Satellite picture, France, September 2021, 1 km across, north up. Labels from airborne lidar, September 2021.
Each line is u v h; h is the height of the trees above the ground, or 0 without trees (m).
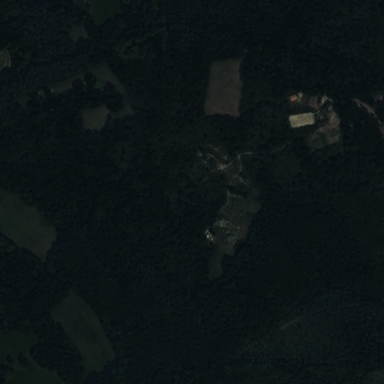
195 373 33
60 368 27
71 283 20
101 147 14
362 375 18
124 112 0
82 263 22
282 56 25
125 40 29
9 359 14
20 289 26
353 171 17
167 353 21
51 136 22
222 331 22
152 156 10
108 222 26
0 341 0
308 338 26
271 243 18
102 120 0
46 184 17
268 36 16
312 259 26
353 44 27
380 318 11
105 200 19
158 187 16
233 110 0
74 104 22
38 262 27
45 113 29
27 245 0
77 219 10
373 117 20
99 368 0
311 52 27
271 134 12
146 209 19
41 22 28
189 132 9
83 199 17
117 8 0
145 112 20
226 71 0
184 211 13
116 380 28
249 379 31
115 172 16
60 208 18
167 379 19
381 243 8
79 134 21
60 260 18
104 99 20
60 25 29
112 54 19
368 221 7
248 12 20
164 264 9
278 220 20
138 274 16
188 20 17
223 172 0
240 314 12
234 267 18
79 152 24
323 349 8
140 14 27
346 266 20
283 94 13
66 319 0
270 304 21
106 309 20
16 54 9
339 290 19
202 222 18
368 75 27
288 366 15
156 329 19
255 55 22
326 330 7
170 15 25
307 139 0
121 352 12
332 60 28
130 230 12
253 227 18
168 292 25
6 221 0
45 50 30
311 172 20
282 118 8
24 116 21
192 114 8
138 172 17
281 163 0
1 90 29
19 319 28
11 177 17
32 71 30
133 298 22
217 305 22
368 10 18
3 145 23
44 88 25
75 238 23
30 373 0
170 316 22
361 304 16
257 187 0
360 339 29
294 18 21
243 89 9
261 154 22
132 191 24
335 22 29
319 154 8
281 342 6
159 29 29
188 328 18
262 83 15
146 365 17
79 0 0
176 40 25
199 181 13
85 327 0
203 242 26
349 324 15
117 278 22
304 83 29
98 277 23
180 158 13
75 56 28
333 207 6
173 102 9
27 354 0
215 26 16
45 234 0
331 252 14
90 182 19
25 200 11
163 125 16
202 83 16
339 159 17
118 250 21
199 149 9
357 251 22
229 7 17
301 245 22
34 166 16
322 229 20
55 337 25
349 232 11
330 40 17
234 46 19
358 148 17
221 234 0
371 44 14
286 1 16
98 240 17
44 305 20
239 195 11
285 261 20
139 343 18
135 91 10
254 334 28
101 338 0
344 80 29
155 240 16
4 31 20
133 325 21
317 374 17
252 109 7
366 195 8
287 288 17
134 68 17
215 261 0
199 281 16
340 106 27
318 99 7
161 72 25
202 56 25
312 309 24
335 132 0
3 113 21
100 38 28
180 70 14
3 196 0
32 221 0
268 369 24
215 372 21
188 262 17
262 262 22
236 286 20
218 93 0
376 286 6
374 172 8
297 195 24
